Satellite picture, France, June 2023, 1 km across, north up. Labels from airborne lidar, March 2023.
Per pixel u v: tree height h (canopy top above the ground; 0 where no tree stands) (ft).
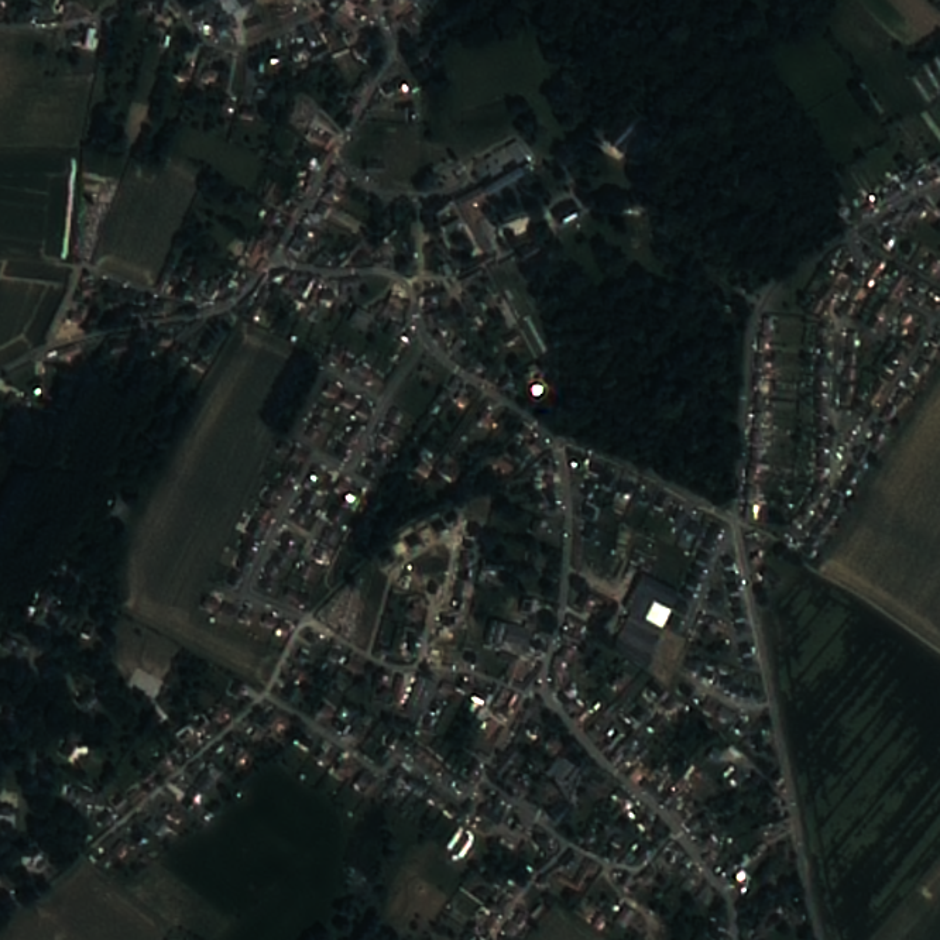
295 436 0
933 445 0
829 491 0
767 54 81
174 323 0
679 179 95
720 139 81
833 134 0
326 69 26
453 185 0
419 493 22
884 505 0
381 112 0
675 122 109
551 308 51
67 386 67
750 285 44
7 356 0
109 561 85
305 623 0
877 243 0
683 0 93
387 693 39
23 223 0
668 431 85
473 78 0
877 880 0
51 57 0
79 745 17
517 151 0
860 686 0
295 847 0
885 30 0
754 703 0
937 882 0
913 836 0
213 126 33
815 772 0
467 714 20
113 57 50
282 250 0
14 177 0
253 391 0
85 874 0
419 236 0
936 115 0
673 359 81
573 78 78
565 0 100
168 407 52
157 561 0
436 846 0
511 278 0
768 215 95
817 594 0
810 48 0
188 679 25
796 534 0
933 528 0
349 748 0
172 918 0
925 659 0
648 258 0
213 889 0
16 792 0
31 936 0
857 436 0
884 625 0
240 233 36
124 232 0
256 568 0
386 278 0
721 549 0
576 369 73
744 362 0
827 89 0
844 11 0
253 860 0
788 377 0
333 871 0
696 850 0
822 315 50
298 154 17
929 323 0
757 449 0
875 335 0
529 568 50
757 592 39
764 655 0
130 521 0
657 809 0
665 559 0
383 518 52
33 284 0
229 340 0
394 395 0
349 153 0
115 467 59
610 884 0
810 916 18
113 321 53
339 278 0
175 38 32
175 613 0
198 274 29
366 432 0
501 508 54
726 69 86
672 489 0
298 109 0
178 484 0
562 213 0
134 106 0
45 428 87
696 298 77
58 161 0
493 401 0
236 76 0
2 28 0
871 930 0
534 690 0
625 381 82
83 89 0
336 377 0
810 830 0
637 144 87
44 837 89
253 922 0
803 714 0
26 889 58
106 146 65
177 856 0
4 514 98
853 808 0
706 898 0
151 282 0
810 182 65
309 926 0
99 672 64
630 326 73
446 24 36
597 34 97
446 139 0
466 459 39
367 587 0
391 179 0
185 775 0
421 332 0
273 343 0
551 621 49
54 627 61
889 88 0
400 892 0
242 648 0
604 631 60
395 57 0
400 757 0
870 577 0
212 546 0
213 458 0
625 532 0
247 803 0
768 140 80
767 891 49
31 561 87
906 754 0
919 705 0
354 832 0
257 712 31
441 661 0
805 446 0
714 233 88
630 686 0
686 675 0
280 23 0
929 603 0
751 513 0
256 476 0
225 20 0
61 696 72
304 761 0
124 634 0
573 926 0
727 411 77
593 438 79
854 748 0
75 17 0
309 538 0
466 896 0
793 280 0
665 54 107
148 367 91
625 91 75
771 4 87
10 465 0
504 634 0
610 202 82
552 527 0
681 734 23
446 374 0
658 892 28
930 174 0
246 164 0
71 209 0
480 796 0
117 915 0
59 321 0
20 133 0
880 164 0
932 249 0
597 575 0
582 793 28
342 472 0
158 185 0
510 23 96
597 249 56
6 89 0
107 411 114
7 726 69
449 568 0
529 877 21
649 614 0
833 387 0
